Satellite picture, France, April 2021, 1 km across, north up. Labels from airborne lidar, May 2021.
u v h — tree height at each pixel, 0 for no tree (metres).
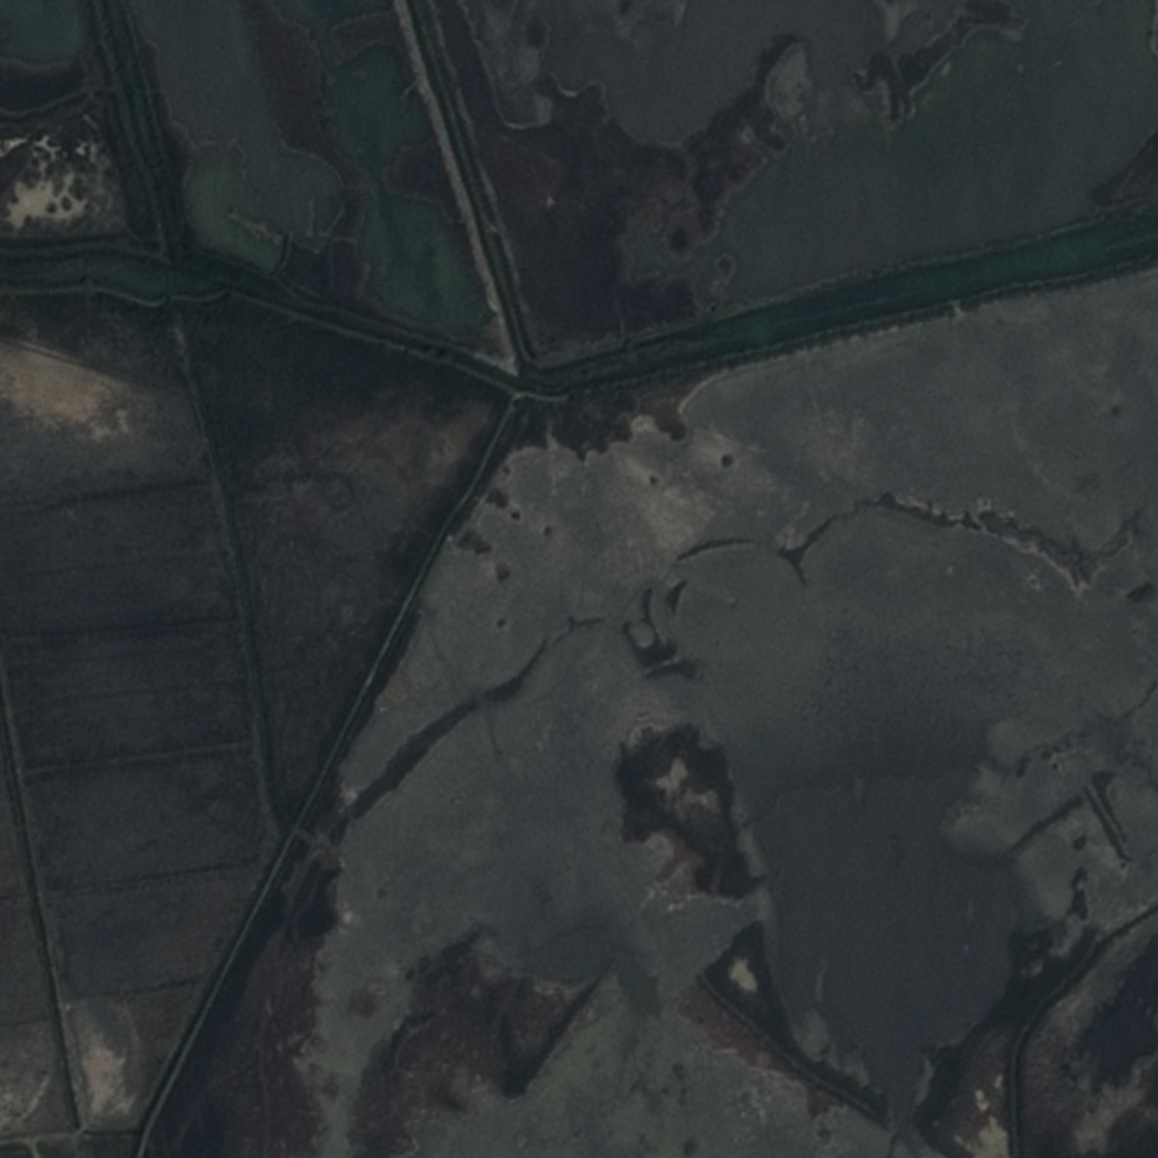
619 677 0
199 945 0
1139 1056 0
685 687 0
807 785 0
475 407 0
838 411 0
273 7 0
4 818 0
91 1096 0
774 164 0
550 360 0
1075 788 0
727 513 0
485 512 0
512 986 0
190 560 0
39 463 0
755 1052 0
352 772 0
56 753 0
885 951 0
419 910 0
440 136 0
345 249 0
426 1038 0
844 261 0
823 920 0
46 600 0
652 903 0
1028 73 0
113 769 0
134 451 0
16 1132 0
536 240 0
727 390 0
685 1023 0
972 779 0
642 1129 0
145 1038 0
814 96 0
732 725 0
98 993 0
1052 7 0
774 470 0
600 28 0
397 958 0
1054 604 0
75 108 0
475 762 0
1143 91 0
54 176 0
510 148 0
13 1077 0
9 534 0
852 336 6
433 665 0
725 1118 0
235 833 0
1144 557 0
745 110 0
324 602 0
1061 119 0
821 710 0
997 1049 0
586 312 0
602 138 0
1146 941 0
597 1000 0
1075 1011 0
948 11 0
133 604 0
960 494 0
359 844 0
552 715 0
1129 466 0
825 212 0
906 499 0
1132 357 0
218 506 0
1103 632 0
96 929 0
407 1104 0
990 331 0
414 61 0
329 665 0
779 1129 0
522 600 0
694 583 0
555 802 0
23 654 0
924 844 0
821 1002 0
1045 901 0
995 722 0
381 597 0
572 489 0
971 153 0
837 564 0
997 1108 0
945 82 0
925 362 0
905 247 0
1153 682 0
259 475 0
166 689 0
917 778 0
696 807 0
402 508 0
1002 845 0
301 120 0
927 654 0
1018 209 0
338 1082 0
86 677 0
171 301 7
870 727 0
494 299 0
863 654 0
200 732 0
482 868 0
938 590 0
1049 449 0
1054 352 0
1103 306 0
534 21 0
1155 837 0
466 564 0
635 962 0
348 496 0
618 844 0
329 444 0
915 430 0
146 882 0
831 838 0
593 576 0
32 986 0
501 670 0
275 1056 0
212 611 0
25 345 0
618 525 0
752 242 0
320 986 0
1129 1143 0
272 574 0
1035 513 0
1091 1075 0
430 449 0
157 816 0
